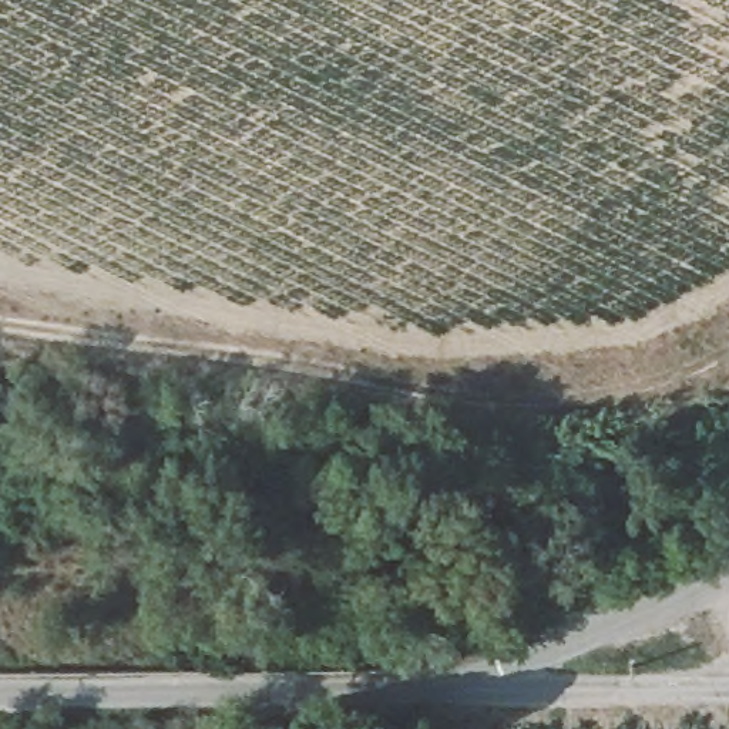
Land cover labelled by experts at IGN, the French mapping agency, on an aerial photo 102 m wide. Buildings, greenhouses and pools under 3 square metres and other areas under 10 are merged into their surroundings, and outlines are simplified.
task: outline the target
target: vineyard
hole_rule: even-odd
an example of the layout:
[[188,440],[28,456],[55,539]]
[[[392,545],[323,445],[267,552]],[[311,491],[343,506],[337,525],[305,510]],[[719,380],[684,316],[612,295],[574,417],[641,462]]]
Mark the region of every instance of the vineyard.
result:
[[644,319],[649,310],[669,305],[695,288],[709,285],[720,273],[729,273],[729,0],[0,0],[0,251],[11,253],[23,265],[54,262],[71,273],[103,268],[125,282],[154,276],[171,285],[174,290],[208,288],[234,305],[253,305],[262,299],[285,310],[313,308],[330,319],[362,310],[379,327],[404,330],[416,325],[433,336],[450,333],[464,322],[498,327],[524,325],[533,319],[541,325],[564,319],[572,325],[587,325],[589,319],[604,319],[609,325],[618,325],[629,319]]
[[439,729],[729,729],[729,706],[712,706],[706,715],[686,712],[683,706],[638,706],[635,712],[629,706],[564,709],[564,723],[530,723],[524,706],[464,706],[458,718],[441,715]]

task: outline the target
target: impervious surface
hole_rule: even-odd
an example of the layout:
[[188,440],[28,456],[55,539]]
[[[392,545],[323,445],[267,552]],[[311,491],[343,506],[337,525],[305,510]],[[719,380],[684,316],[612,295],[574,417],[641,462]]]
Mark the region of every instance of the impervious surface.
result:
[[265,675],[0,675],[0,712],[14,712],[17,698],[28,689],[48,689],[51,695],[63,698],[91,692],[100,698],[100,709],[216,706],[225,698],[245,698],[262,689]]
[[171,285],[154,276],[125,282],[103,268],[71,273],[54,262],[23,265],[11,253],[0,251],[0,313],[80,325],[85,330],[88,325],[122,325],[122,310],[162,308],[168,316],[202,319],[228,333],[265,333],[279,339],[330,342],[325,347],[325,359],[319,367],[310,365],[310,353],[305,353],[302,362],[290,362],[271,347],[248,347],[228,342],[225,353],[231,353],[245,353],[253,365],[273,362],[279,370],[308,373],[319,379],[336,376],[342,382],[350,382],[359,365],[370,365],[379,370],[410,370],[413,387],[427,387],[430,373],[450,373],[456,367],[484,370],[493,362],[510,359],[535,365],[541,379],[561,379],[564,396],[575,402],[672,393],[681,384],[689,384],[692,402],[709,404],[712,387],[729,390],[729,273],[720,273],[709,285],[695,288],[669,305],[649,310],[644,319],[629,319],[618,325],[609,325],[604,319],[589,319],[587,325],[572,325],[564,319],[541,325],[533,319],[524,325],[498,327],[464,322],[450,333],[433,336],[416,325],[404,330],[379,327],[362,310],[330,319],[313,308],[285,310],[262,299],[253,305],[234,305],[208,288],[174,290]]

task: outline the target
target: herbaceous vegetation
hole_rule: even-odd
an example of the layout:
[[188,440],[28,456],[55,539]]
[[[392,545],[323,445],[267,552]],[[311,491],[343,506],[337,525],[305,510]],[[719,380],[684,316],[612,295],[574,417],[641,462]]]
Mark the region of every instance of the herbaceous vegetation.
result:
[[28,359],[0,347],[0,365],[6,367],[6,373],[23,370],[34,387],[46,382],[51,373],[57,376],[57,382],[77,382],[85,370],[85,347],[74,342],[40,339]]
[[578,678],[644,675],[666,669],[695,669],[701,664],[709,664],[726,652],[726,635],[720,624],[712,624],[712,612],[703,609],[689,618],[689,629],[681,635],[669,632],[644,644],[604,646],[589,655],[567,661],[564,666]]

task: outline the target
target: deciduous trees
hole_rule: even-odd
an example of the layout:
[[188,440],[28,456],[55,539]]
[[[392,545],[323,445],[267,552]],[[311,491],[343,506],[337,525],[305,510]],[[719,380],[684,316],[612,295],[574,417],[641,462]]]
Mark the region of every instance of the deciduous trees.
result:
[[[672,393],[575,402],[564,396],[561,379],[541,379],[535,365],[510,359],[493,362],[484,370],[456,367],[450,373],[430,373],[427,387],[413,387],[410,370],[379,370],[370,365],[359,365],[350,382],[342,382],[336,376],[319,379],[308,373],[279,370],[273,362],[253,365],[245,353],[231,353],[228,359],[211,359],[208,353],[165,356],[85,347],[85,370],[77,382],[57,382],[57,376],[51,373],[46,382],[34,387],[23,370],[6,373],[6,367],[0,365],[0,675],[265,675],[262,689],[245,698],[225,698],[216,706],[100,709],[100,698],[91,692],[63,698],[51,695],[48,689],[28,689],[17,698],[14,712],[0,712],[0,729],[439,729],[441,715],[458,718],[464,706],[524,706],[530,723],[564,723],[564,709],[629,706],[635,712],[638,706],[683,706],[686,712],[706,715],[712,706],[729,706],[729,390],[712,387],[709,404],[692,402],[689,384],[681,384]],[[701,664],[695,669],[666,669],[644,675],[578,678],[564,666],[567,661],[589,655],[604,646],[644,644],[669,632],[681,635],[689,629],[689,618],[703,609],[712,612],[712,624],[720,624],[726,635],[726,652],[709,664]]]
[[0,347],[28,359],[40,339],[0,333]]

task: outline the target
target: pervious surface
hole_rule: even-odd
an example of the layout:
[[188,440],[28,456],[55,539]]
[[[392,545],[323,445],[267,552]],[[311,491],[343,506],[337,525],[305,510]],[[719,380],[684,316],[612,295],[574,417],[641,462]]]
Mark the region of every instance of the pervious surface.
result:
[[325,347],[330,342],[279,339],[265,333],[228,333],[202,319],[168,316],[162,308],[122,310],[122,325],[88,325],[85,330],[80,325],[0,313],[0,333],[40,339],[74,342],[85,347],[165,356],[208,353],[211,359],[228,359],[231,353],[225,353],[228,342],[248,347],[271,347],[290,362],[302,362],[305,353],[310,353],[310,365],[319,367],[325,359]]

